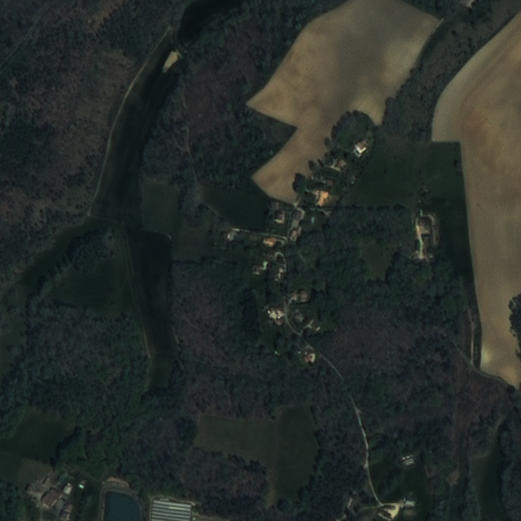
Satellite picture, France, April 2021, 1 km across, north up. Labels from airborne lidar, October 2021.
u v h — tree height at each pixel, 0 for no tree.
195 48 25
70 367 21
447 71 12
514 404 23
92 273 20
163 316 0
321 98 0
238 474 16
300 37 0
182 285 17
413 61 0
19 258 24
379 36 0
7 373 0
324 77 0
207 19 0
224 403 12
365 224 26
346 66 0
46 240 13
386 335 17
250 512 28
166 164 16
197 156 21
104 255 27
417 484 0
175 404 25
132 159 0
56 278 19
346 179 8
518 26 0
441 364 11
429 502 0
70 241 0
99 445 30
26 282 0
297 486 0
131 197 0
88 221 0
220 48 26
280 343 22
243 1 0
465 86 0
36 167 25
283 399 17
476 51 6
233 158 6
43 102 8
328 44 0
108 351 19
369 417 15
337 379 10
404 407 11
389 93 0
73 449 26
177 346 0
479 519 26
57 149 10
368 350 8
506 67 0
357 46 0
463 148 0
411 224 21
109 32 22
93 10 25
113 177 0
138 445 15
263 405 18
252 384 18
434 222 0
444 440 23
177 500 17
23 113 6
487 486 0
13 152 19
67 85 13
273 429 0
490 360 0
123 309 0
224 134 12
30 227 17
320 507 24
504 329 0
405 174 0
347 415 15
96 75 7
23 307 0
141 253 0
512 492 25
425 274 27
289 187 0
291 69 0
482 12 22
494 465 0
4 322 10
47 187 14
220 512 28
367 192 0
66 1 11
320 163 0
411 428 19
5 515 18
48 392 24
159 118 7
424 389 18
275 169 0
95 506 0
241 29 24
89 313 15
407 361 17
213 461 9
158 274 0
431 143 16
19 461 0
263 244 10
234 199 0
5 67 9
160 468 19
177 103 18
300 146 0
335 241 23
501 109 0
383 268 0
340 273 31
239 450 0
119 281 0
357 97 0
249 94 24
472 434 15
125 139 0
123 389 22
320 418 10
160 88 0
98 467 30
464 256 0
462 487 7
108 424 29
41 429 0
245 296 13
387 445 20
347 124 20
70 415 27
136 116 0
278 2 22
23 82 11
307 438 0
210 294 13
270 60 25
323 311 17
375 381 22
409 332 14
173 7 21
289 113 0
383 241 22
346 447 19
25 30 22
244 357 17
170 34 0
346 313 13
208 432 0
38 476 0
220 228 18
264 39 25
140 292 0
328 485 16
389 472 0
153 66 0
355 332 11
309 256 20
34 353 17
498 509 0
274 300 14
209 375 12
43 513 0
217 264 15
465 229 0
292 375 15
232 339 16
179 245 0
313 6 17
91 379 22
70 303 0
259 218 0
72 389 24
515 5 0
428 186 9
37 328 0
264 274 0
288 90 0
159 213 0
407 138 16
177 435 13
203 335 9
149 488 27
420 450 25
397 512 0
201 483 11
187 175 20
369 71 0
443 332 16
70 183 12
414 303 23
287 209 13
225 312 15
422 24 0
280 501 0
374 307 19
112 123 11
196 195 20
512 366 0
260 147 22
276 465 0
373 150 9
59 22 6
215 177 21
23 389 29
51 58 8
